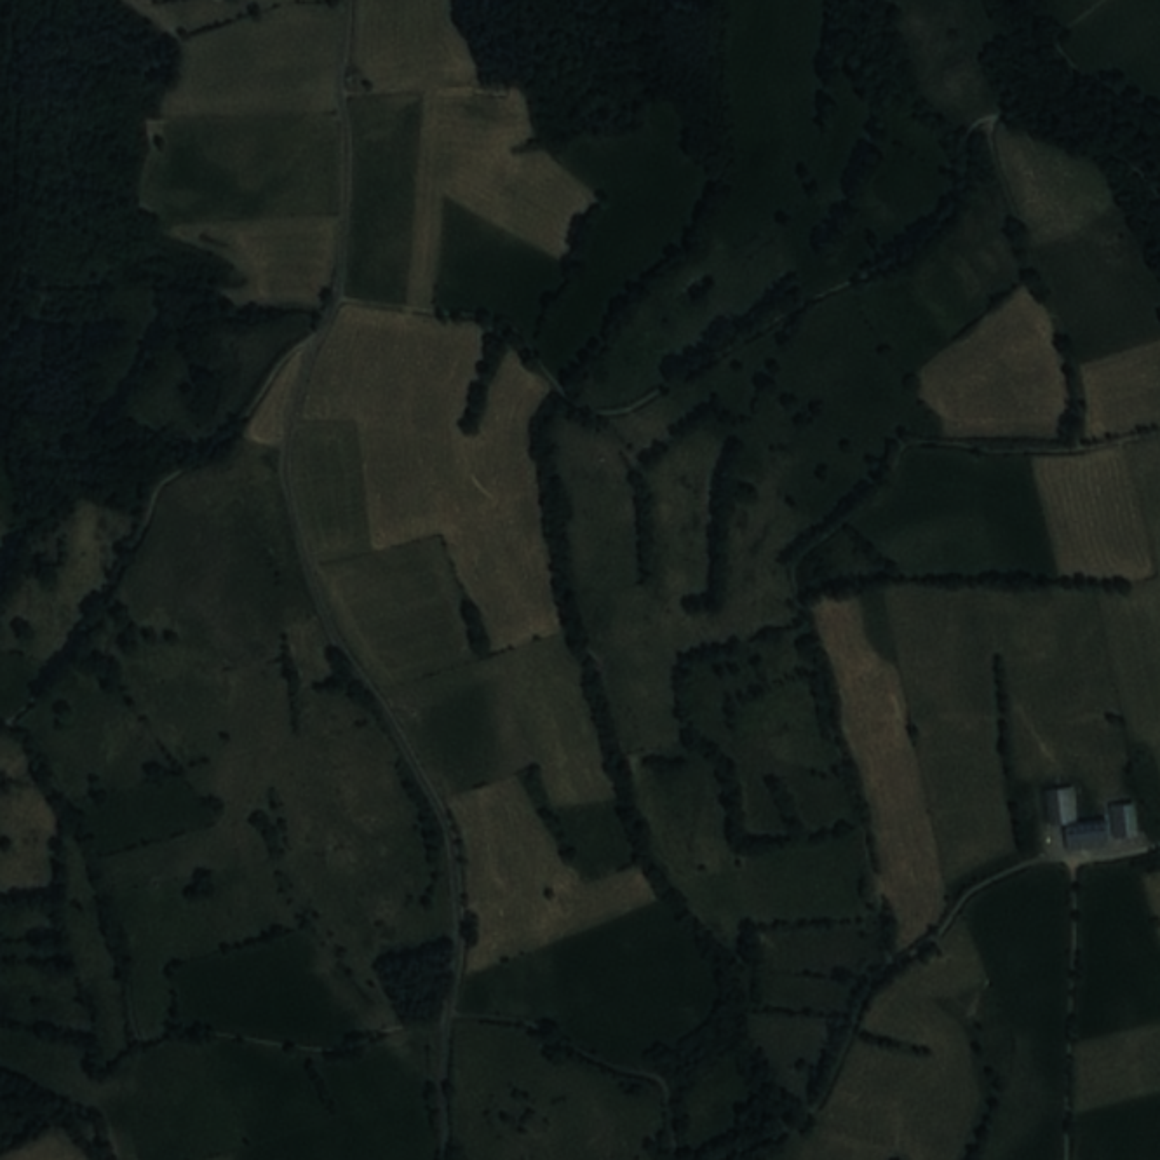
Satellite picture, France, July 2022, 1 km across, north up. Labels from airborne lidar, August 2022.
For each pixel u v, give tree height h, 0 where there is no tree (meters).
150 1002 0
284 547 0
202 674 0
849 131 0
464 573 0
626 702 0
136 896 0
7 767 0
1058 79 26
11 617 0
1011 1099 0
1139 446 0
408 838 0
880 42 6
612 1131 0
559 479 9
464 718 0
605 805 0
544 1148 0
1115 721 9
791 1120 17
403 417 0
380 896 0
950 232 11
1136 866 8
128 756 0
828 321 0
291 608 0
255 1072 0
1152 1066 0
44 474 15
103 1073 14
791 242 0
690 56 29
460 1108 0
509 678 0
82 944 0
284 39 0
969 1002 0
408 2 0
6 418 20
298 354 0
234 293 0
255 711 0
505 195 0
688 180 0
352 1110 0
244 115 0
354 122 0
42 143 12
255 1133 0
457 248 0
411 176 0
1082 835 0
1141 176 13
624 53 27
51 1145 0
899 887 0
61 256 6
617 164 0
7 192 9
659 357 0
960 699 0
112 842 0
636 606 0
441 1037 0
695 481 0
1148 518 0
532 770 9
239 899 0
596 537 0
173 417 0
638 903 0
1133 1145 0
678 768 10
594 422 10
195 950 0
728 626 0
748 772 0
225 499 0
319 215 0
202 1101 0
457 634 0
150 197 0
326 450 0
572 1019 0
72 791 0
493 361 16
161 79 18
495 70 16
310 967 0
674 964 0
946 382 0
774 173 0
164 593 0
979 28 0
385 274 0
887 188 0
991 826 0
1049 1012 0
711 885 0
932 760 0
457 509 0
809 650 12
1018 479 0
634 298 16
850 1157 0
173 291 18
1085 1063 0
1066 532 0
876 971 9
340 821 0
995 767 0
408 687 0
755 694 16
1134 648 0
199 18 0
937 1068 0
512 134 0
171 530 0
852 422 0
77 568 0
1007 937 0
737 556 0
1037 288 13
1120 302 0
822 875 0
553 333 0
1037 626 0
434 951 18
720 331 15
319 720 0
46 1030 17
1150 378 0
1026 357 0
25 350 21
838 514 12
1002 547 0
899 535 0
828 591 13
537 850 0
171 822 0
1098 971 0
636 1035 0
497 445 0
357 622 0
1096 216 0
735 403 0
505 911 0
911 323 0
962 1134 0
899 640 0
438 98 0
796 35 0
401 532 0
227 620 0
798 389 0
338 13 0
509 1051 0
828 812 0
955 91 0
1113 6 0
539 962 0
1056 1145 0
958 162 20
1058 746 0
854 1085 0
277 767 0
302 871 0
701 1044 6
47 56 22
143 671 0
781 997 0
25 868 0
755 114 0
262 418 0
